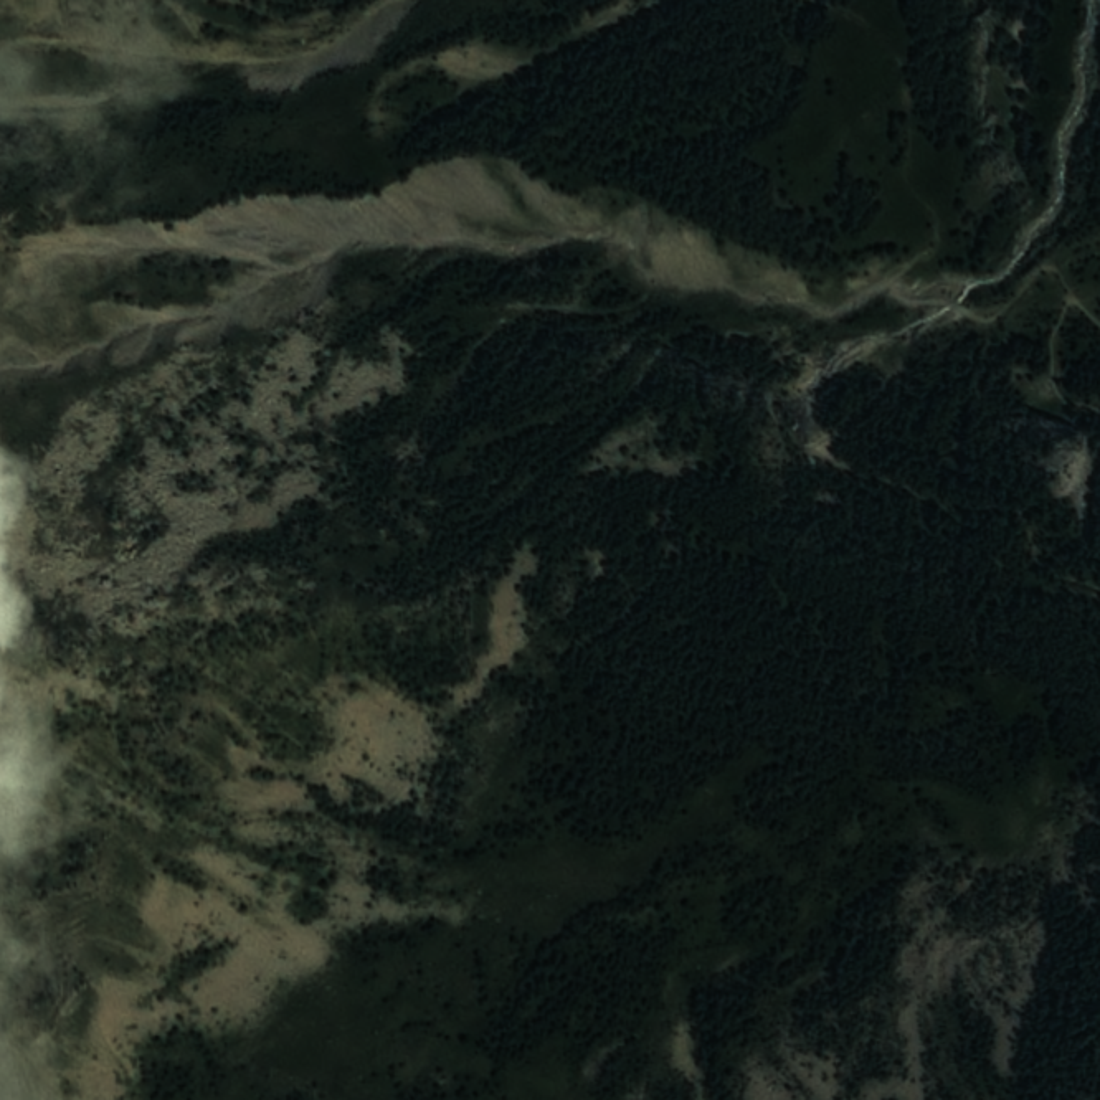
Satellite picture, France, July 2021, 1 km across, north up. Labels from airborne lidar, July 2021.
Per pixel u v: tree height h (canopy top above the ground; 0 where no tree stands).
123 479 0
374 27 0
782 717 15
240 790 0
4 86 0
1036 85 25
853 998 12
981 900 11
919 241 0
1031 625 22
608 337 8
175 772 10
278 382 0
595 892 0
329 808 8
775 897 8
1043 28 20
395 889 9
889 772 6
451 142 10
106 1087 0
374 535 0
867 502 26
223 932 0
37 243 0
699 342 16
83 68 0
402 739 0
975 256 13
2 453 0
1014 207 14
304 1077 0
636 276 0
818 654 17
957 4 18
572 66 20
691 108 13
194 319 0
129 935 0
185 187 0
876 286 0
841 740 6
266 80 0
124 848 0
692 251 0
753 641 17
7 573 0
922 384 15
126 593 0
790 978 9
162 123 7
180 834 0
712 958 0
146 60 0
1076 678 18
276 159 9
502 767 0
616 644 17
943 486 26
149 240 0
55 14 0
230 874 0
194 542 0
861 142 0
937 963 0
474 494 11
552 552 8
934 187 0
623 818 11
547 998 9
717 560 14
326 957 0
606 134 15
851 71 0
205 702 0
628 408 8
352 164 0
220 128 10
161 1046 11
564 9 8
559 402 14
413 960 0
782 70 25
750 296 0
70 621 0
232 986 0
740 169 16
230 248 0
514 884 0
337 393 7
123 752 9
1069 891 12
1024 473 18
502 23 9
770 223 16
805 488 18
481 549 13
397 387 0
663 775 12
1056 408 0
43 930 0
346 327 8
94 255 0
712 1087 12
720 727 12
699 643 18
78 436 0
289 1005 0
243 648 9
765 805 12
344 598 0
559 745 12
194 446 0
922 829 0
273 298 0
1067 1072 9
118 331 0
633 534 15
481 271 8
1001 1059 0
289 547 7
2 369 0
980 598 21
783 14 16
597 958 13
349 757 0
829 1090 0
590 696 12
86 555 0
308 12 9
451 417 8
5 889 0
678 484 15
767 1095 0
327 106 0
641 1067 6
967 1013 10
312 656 0
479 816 0
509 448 13
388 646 9
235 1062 0
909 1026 0
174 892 0
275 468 10
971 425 27
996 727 6
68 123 0
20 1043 0
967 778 6
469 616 15
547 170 17
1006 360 21
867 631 17
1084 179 16
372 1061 0
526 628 9
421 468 14
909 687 14
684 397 19
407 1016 0
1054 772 0
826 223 14
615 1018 14
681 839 0
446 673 12
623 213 0
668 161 19
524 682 9
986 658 8
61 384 0
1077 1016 15
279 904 0
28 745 0
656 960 9
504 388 12
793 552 10
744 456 17
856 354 0
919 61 21
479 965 11
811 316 0
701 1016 14
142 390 0
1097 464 7
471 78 0
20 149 9
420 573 6
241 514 0
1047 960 11
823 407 13
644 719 13
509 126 12
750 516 12
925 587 12
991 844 0
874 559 17
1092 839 12
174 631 6
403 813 13
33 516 0
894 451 26
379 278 7
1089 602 21
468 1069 0
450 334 14
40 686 0
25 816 0
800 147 0
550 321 10
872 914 16
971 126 16
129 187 0
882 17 0
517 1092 0
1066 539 12
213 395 15
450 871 0
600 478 14
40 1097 0
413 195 0
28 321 0
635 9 6
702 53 23
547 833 9
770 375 13
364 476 7
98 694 0
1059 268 0
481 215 0
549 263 19
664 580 14
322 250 0
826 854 0
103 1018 0
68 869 8
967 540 25
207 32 11
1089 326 8
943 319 0
